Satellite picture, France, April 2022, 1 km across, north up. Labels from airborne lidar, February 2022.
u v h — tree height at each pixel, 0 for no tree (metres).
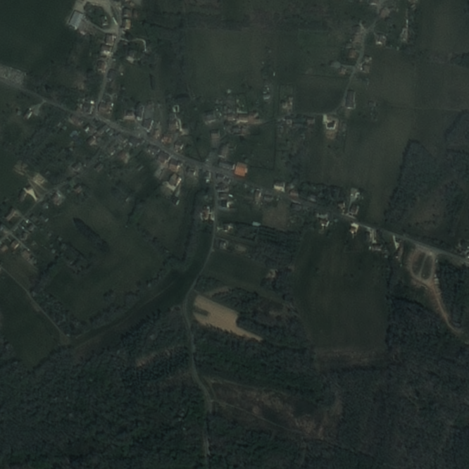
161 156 0
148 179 0
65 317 16
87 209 0
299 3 0
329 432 21
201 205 6
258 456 25
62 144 0
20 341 0
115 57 11
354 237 0
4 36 0
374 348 0
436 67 0
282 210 0
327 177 0
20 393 7
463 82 0
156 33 13
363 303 0
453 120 0
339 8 0
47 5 0
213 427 27
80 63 0
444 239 0
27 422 23
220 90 0
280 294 23
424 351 21
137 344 19
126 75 0
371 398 26
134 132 0
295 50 0
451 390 19
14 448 23
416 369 21
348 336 0
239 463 27
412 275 0
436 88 0
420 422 28
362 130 0
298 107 0
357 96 0
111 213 0
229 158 0
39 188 0
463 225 0
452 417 17
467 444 26
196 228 21
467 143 22
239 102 0
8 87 0
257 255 12
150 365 16
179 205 0
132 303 21
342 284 0
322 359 0
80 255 18
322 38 0
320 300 0
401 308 30
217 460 20
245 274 0
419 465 23
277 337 24
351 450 20
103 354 12
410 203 17
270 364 16
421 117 0
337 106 0
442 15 0
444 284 20
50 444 28
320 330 0
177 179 0
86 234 19
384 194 0
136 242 0
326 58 0
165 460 20
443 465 20
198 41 0
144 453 26
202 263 0
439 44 0
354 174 0
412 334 22
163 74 0
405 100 0
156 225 0
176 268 15
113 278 0
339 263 0
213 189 9
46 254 0
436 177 12
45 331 0
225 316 0
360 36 0
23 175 0
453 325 0
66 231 0
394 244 0
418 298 0
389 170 0
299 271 0
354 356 0
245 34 0
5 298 0
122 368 11
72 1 0
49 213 0
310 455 19
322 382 23
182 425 17
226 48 0
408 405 21
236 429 20
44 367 20
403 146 0
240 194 0
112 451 28
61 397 21
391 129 0
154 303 0
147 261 0
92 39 16
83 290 0
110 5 0
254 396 0
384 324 0
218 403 0
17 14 0
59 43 0
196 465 11
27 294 0
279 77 0
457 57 7
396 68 0
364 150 0
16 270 0
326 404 21
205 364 14
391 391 23
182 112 8
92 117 0
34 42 0
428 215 0
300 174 21
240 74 0
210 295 0
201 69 0
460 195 8
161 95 0
